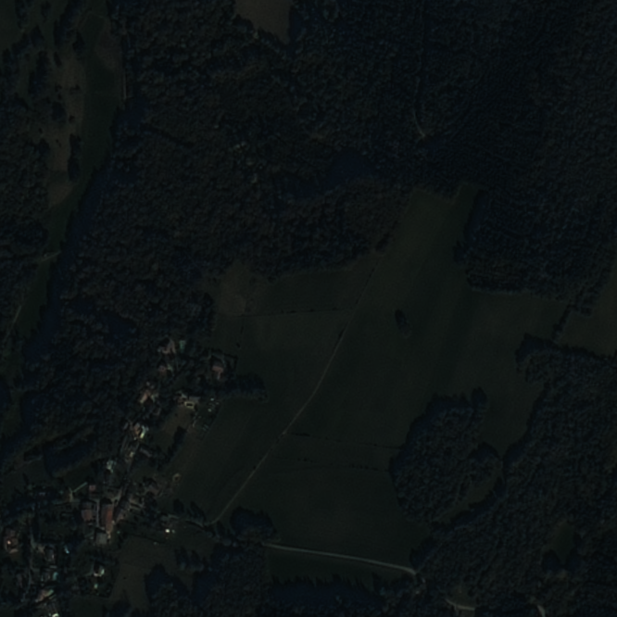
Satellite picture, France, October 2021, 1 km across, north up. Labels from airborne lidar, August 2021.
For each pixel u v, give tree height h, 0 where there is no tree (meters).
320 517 0
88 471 0
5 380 0
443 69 19
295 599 18
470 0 12
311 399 0
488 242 24
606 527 19
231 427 0
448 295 0
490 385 0
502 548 11
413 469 15
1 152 18
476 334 0
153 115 28
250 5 0
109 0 0
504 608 20
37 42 17
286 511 0
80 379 29
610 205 10
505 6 15
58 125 6
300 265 18
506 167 20
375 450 0
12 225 29
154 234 29
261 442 0
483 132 26
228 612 10
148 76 28
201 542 0
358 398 0
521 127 19
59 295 27
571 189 9
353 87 22
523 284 12
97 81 0
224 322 0
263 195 7
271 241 22
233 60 8
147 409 8
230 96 8
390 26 20
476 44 16
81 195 0
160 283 26
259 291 0
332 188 24
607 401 16
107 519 0
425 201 0
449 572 6
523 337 0
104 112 0
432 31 17
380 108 20
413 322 0
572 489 17
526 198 16
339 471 0
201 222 28
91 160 0
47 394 26
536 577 17
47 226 0
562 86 13
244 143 21
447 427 16
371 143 10
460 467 13
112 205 29
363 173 25
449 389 0
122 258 33
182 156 24
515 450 0
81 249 31
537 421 11
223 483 0
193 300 11
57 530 0
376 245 11
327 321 0
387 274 0
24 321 0
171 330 13
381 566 0
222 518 0
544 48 18
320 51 25
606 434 19
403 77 19
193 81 24
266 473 0
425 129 16
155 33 27
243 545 15
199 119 29
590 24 8
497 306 0
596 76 14
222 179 28
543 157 13
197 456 0
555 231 7
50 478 11
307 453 0
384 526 0
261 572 14
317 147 5
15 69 17
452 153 23
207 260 16
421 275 0
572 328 0
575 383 13
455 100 8
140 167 27
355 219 26
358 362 0
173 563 0
